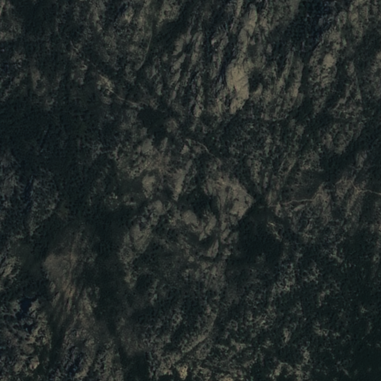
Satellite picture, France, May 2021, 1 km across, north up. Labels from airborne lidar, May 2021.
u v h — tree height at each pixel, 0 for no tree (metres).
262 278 9
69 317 0
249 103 15
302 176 0
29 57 12
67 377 17
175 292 14
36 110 17
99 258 7
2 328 15
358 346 7
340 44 10
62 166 19
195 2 16
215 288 0
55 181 11
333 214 0
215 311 11
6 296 17
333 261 13
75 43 7
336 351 6
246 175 20
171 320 12
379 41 7
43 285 12
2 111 18
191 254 0
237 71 0
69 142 11
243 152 18
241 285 6
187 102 8
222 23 10
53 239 17
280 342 14
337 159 14
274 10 11
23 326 13
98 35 0
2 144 22
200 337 0
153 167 0
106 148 8
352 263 12
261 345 13
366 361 6
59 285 0
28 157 15
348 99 8
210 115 0
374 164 10
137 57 0
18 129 16
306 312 12
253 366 7
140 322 9
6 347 11
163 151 0
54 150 12
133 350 0
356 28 0
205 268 0
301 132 0
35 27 12
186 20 11
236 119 14
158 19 0
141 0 0
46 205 8
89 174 12
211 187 0
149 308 6
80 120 21
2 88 10
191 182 15
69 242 0
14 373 7
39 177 13
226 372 6
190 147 8
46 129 16
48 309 0
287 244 0
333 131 7
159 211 0
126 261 7
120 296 0
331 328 13
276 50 15
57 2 8
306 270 16
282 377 9
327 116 12
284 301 16
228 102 10
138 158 0
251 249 11
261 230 9
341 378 10
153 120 14
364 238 13
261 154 12
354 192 0
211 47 8
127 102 7
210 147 12
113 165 16
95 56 15
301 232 10
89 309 0
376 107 9
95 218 13
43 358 7
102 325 0
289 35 14
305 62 15
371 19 12
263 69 0
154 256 15
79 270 0
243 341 13
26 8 11
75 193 17
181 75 12
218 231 0
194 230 0
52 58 11
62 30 10
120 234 0
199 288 9
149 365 7
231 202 0
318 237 0
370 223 10
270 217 0
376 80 0
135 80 7
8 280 9
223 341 16
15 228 12
